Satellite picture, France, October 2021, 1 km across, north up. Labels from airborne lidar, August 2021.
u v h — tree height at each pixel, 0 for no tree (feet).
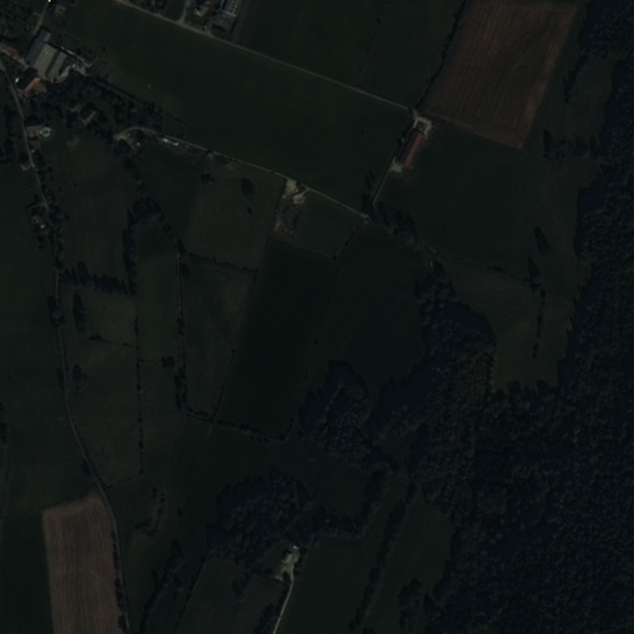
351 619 0
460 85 0
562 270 0
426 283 0
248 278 0
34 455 0
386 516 0
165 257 0
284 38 0
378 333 0
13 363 0
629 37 70
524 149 0
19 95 0
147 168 0
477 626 56
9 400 0
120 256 0
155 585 0
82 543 0
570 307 0
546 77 0
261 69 0
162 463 0
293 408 0
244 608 0
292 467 0
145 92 0
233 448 0
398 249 0
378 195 0
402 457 0
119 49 0
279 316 0
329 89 0
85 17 0
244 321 0
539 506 39
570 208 0
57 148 0
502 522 75
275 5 0
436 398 65
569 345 0
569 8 0
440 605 49
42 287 0
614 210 67
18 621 0
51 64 0
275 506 46
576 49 0
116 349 0
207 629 0
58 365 0
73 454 0
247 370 0
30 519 0
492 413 45
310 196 0
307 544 40
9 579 0
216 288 0
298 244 0
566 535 77
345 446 53
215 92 0
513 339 0
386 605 0
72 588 0
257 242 0
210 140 0
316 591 0
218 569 0
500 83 0
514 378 0
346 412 63
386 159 0
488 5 0
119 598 36
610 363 21
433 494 44
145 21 0
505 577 96
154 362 0
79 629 0
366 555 0
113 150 39
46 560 0
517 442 38
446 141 0
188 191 0
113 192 0
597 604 73
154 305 0
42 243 48
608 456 26
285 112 0
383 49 0
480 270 0
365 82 0
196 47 0
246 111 0
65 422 0
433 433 56
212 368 0
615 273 80
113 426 0
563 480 24
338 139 0
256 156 0
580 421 34
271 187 0
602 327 89
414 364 0
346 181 0
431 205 0
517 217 0
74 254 0
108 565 0
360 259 0
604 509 70
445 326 54
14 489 0
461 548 58
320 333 0
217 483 0
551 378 0
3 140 0
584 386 24
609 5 52
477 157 0
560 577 80
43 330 0
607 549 75
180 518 25
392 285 0
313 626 0
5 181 0
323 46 0
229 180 0
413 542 0
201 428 0
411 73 0
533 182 0
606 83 0
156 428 0
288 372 0
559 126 0
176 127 0
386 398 0
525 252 0
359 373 0
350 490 0
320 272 0
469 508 19
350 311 0
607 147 56
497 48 0
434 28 0
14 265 0
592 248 60
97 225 0
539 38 0
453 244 0
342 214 0
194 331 0
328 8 0
